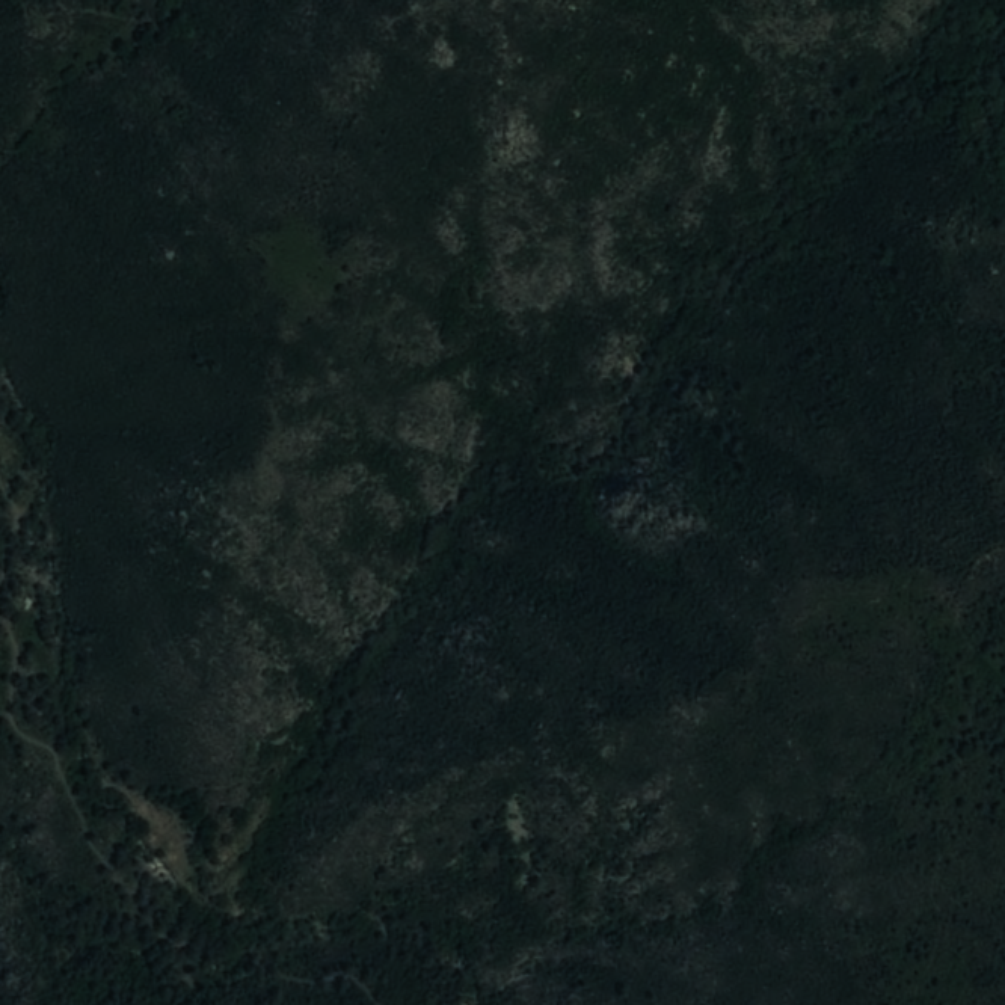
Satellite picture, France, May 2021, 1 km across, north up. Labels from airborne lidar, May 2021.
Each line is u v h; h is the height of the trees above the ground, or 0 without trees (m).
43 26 0
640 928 8
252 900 8
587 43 6
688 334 18
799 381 6
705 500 9
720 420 9
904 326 8
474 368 6
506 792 9
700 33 6
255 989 6
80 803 9
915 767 8
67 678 17
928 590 0
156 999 12
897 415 9
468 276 6
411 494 5
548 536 12
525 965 7
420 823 5
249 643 8
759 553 8
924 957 13
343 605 8
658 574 9
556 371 7
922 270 7
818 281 6
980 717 10
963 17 16
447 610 11
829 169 23
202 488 6
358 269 0
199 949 19
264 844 21
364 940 9
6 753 7
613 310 5
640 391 28
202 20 6
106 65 14
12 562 18
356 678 18
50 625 20
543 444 14
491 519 7
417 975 7
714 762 7
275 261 0
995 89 18
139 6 12
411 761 6
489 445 11
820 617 0
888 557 8
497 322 8
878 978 6
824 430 10
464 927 12
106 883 9
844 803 7
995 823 13
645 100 6
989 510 7
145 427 7
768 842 7
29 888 10
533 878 6
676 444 16
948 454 9
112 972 24
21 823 18
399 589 7
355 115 8
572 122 6
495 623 6
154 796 12
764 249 9
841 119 25
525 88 0
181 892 9
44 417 8
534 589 7
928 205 5
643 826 11
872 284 15
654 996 15
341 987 16
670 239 7
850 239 6
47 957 9
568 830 6
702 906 7
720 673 9
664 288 12
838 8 6
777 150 6
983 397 8
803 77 7
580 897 8
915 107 22
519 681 5
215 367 17
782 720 6
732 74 6
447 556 10
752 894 14
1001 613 8
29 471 14
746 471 25
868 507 8
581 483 10
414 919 22
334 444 6
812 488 6
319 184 7
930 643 6
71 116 6
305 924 11
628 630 11
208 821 15
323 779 8
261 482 0
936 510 7
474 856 9
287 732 8
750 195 10
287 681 6
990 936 10
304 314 0
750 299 8
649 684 9
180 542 7
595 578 15
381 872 15
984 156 11
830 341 7
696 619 6
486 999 17
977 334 10
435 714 6
